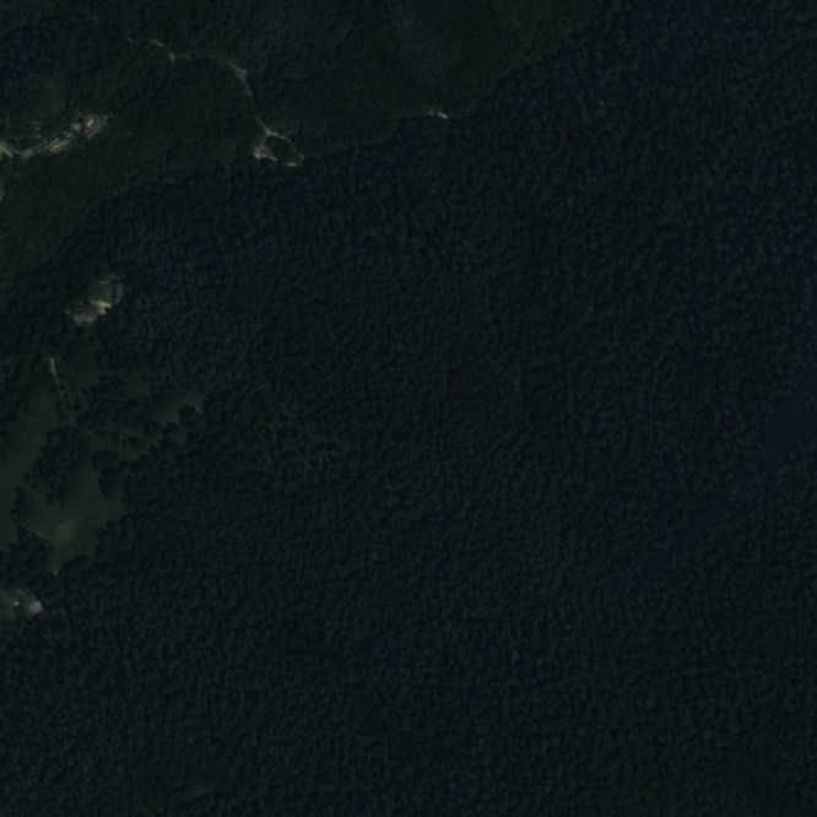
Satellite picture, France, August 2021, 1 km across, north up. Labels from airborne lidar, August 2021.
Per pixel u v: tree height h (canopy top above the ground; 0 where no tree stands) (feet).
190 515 74
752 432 37
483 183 58
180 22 81
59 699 56
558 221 120
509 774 70
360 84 52
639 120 83
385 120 57
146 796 49
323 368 84
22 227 51
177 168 37
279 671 58
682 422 82
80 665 68
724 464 70
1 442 61
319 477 63
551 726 77
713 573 24
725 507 30
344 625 106
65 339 61
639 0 27
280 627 78
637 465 57
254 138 61
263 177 44
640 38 69
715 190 29
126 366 67
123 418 76
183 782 37
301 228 65
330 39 41
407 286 102
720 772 71
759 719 69
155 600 68
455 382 74
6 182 48
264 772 109
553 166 74
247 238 94
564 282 73
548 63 40
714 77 95
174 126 41
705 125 52
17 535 0
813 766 57
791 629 57
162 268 94
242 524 86
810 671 66
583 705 31
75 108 51
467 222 65
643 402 45
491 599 75
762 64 96
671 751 74
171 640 93
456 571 78
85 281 77
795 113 64
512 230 68
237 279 106
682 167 48
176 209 98
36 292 100
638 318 36
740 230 60
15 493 0
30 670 81
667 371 72
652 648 63
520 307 44
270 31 25
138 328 104
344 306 99
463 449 83
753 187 86
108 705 47
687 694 73
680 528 54
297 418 27
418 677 73
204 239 90
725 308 91
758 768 77
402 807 72
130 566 64
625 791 71
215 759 72
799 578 72
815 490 55
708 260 45
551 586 60
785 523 59
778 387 89
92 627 90
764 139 76
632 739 80
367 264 82
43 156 18
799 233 89
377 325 91
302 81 26
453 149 56
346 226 24
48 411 0
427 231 89
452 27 66
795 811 58
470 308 90
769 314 89
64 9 64
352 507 106
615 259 74
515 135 77
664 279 42
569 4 64
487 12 54
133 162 38
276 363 100
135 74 106
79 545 0
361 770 109
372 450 68
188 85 65
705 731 91
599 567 61
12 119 35
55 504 50
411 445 96
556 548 71
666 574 54
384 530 94
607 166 24
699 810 85
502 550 69
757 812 69
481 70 68
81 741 69
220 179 68
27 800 58
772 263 51
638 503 73
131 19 20
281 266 103
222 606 72
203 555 65
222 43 69
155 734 35
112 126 41
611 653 69
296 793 46
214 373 108
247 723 84
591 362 57
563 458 76
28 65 53
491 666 72
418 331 95
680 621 61
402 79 75
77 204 40
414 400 95
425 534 98
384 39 71
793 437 47
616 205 50
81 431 39
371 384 122
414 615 78
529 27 69
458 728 81
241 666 39
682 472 118
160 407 40
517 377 72
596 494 66
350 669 87
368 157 60
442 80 54
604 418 79
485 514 94
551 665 74
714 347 68
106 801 64
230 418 67
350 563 79
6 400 68
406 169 65
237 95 67
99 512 0
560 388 43
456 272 122
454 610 46
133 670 39
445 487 85
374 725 47
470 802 100
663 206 49
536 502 87
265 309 95
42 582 47
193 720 78
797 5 57
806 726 63
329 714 77
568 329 85
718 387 60
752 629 64
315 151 55
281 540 87
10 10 38
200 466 54
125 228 103
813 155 68
